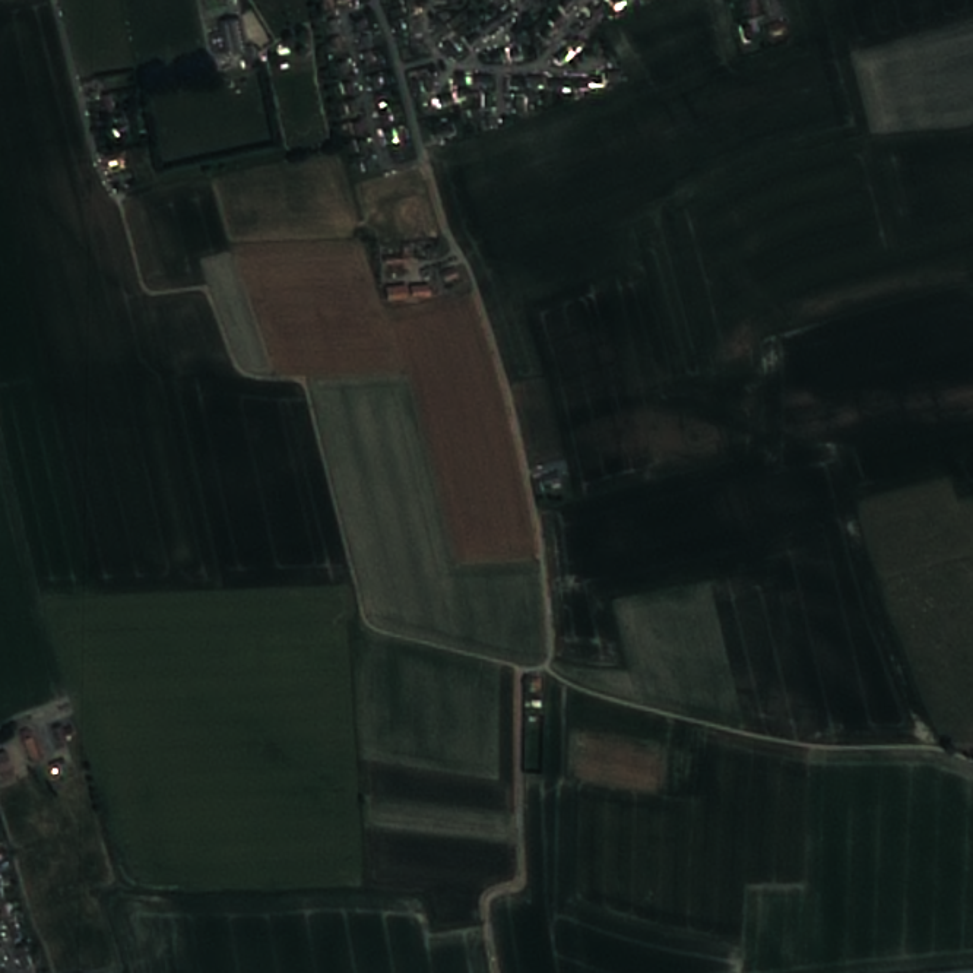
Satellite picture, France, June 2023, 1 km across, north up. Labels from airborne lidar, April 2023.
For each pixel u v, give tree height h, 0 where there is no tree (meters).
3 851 0
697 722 0
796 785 0
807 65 0
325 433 0
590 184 0
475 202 0
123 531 0
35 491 0
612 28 0
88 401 0
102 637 0
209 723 0
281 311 0
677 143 0
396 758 0
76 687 0
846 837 0
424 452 0
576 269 0
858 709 0
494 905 0
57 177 0
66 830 0
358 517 0
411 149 0
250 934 0
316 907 0
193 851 0
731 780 0
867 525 0
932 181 0
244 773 0
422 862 0
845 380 0
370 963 0
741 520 0
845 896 0
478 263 0
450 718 0
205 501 0
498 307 0
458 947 0
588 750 0
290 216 0
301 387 0
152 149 10
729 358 0
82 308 0
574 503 0
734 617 0
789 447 0
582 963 0
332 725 0
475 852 0
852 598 0
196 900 0
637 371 0
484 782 0
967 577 0
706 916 0
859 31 0
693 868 0
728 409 0
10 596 0
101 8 0
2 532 0
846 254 0
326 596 0
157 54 0
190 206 0
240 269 0
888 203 0
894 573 0
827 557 0
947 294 0
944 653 0
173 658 0
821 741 0
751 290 0
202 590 0
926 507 0
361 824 0
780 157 0
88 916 0
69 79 0
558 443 0
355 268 0
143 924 0
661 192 0
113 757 0
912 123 0
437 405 0
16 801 0
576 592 0
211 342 0
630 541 0
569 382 0
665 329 0
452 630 0
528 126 0
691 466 0
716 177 0
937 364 0
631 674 0
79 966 0
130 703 0
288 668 0
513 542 0
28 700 0
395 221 0
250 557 0
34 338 0
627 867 0
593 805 0
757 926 0
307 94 0
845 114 0
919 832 0
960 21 0
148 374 0
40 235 0
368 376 0
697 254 0
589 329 0
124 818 0
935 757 0
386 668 0
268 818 0
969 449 0
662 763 0
